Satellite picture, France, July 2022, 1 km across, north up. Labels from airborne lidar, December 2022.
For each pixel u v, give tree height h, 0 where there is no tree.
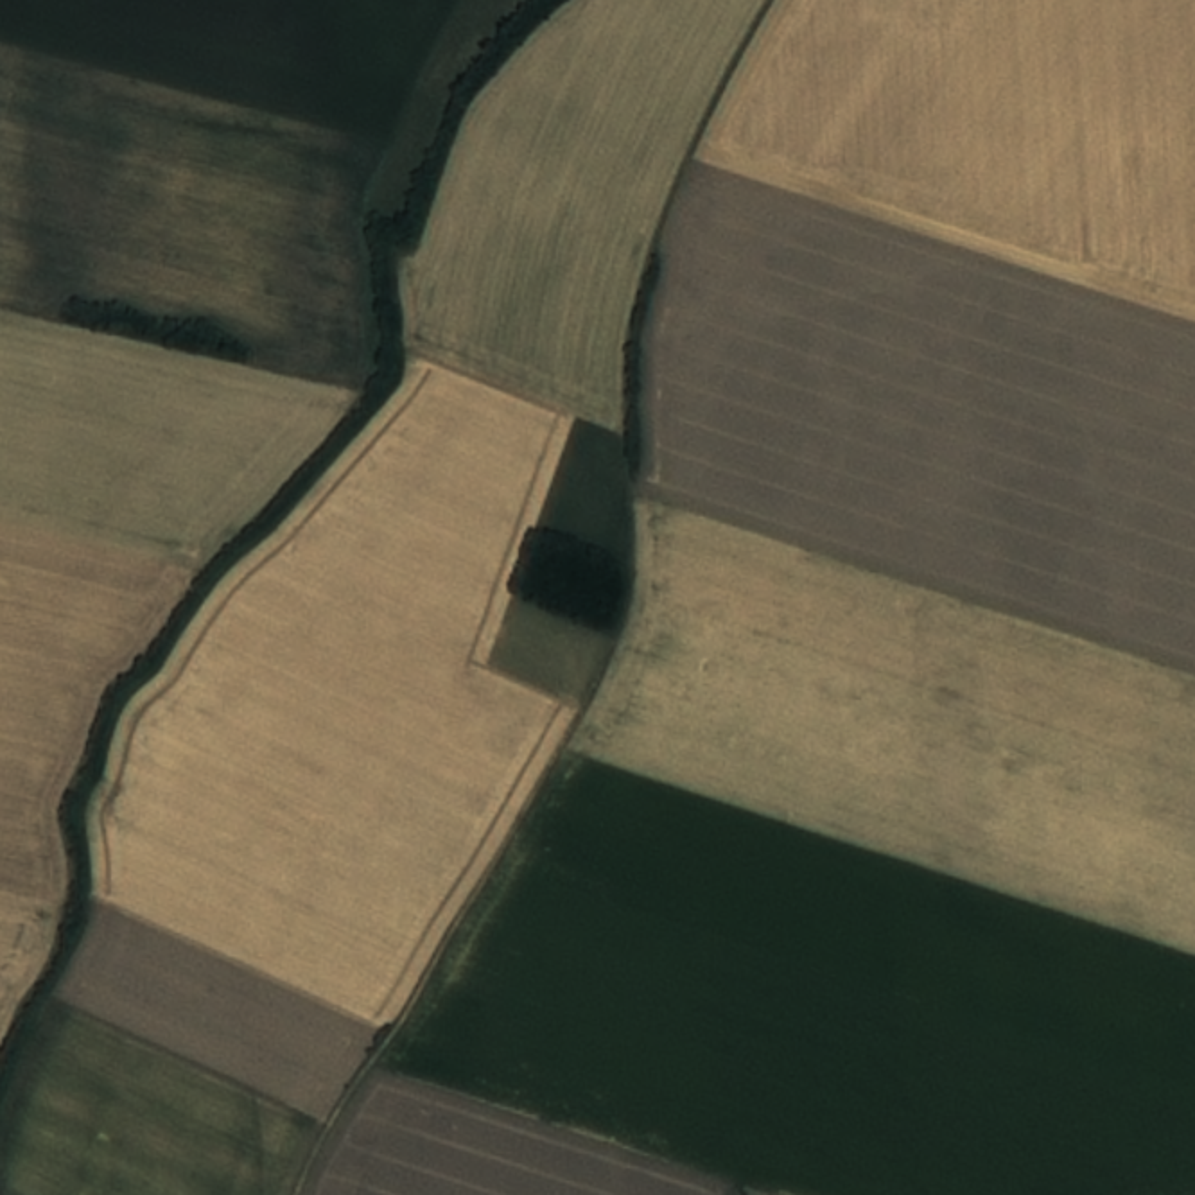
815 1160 0
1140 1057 0
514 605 0
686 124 0
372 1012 0
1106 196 0
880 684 0
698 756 0
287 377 0
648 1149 0
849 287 0
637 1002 0
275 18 0
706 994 0
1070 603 0
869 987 0
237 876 0
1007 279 0
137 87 0
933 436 0
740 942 0
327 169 0
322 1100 0
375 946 0
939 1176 0
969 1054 0
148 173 0
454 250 0
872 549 0
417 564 0
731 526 0
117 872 0
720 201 0
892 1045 0
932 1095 0
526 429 0
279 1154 0
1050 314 0
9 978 0
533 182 0
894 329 0
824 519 0
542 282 0
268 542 0
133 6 0
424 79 0
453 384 0
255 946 0
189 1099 0
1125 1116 0
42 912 0
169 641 8
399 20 0
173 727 0
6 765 0
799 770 0
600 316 0
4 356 0
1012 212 0
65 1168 0
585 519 0
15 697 0
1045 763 0
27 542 0
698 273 0
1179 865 0
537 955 0
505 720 0
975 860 0
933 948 0
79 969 0
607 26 0
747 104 0
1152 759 0
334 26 0
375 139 0
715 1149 0
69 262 0
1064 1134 0
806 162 0
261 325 0
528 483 0
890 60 0
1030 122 0
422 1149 0
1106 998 0
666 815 0
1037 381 0
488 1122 0
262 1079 0
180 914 0
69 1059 0
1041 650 0
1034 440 0
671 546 0
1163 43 0
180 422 0
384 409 0
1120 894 0
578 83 0
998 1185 0
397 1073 0
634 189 0
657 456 0
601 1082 0
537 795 0
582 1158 0
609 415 0
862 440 0
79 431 0
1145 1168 0
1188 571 0
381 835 0
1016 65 0
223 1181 0
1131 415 0
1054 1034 0
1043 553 0
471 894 0
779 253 0
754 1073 0
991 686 0
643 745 0
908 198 0
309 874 0
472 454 0
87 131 0
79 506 0
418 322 0
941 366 0
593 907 0
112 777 0
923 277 0
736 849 0
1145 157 0
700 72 0
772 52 0
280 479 0
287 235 0
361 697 0
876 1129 0
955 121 0
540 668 0
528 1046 0
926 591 0
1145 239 0
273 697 0
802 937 0
